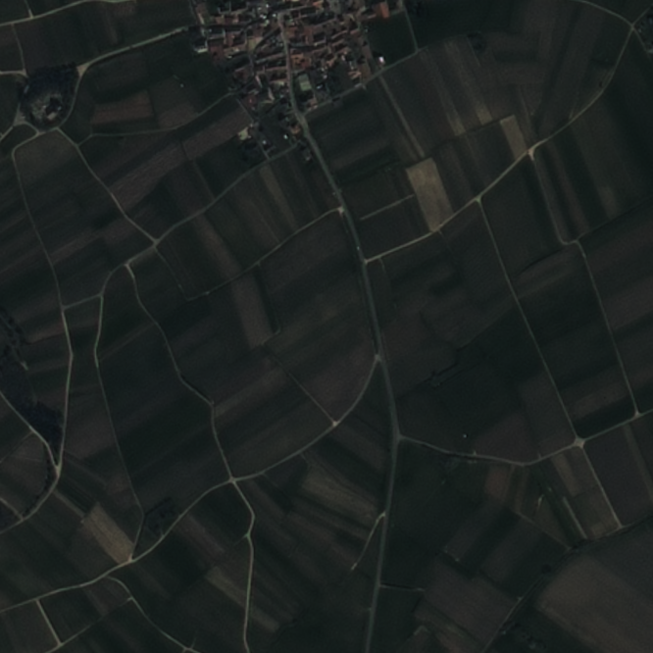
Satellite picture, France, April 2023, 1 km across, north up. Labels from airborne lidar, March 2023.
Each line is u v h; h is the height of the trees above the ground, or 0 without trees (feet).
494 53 0
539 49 0
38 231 0
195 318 0
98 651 0
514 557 0
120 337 0
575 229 0
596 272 0
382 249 0
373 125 0
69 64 0
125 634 0
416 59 0
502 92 0
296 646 0
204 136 0
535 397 0
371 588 0
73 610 0
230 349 0
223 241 0
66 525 0
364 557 0
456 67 0
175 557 0
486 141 0
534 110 0
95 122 0
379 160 0
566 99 0
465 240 0
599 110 0
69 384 0
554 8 0
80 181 0
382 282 0
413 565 0
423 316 0
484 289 0
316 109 0
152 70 0
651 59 0
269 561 0
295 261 0
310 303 0
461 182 0
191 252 0
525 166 0
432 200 0
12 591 0
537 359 0
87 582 0
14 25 0
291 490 0
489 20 0
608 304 0
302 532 0
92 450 0
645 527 0
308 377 0
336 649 0
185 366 0
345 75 0
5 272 0
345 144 0
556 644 0
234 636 0
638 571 0
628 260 0
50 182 0
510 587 0
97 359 0
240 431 0
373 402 0
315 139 0
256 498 0
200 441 0
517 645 0
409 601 0
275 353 0
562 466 0
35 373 0
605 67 0
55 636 0
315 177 0
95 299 0
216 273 0
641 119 0
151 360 0
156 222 0
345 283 0
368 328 0
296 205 0
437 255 0
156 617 0
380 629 0
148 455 0
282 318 0
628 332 0
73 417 0
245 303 0
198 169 0
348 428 0
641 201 0
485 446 0
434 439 0
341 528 0
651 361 0
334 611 0
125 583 0
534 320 0
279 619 0
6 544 0
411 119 0
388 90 0
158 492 0
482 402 0
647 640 0
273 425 0
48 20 0
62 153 0
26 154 0
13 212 0
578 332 0
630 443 0
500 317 0
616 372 0
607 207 0
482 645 0
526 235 0
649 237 0
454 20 0
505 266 0
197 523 0
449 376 0
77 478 0
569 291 0
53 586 0
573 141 0
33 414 29
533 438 0
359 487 0
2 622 0
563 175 0
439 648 0
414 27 0
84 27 0
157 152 0
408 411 0
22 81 0
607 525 0
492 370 0
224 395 0
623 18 0
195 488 0
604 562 0
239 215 0
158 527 31
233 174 0
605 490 0
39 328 0
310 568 0
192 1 0
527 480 0
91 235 0
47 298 0
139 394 0
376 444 0
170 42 0
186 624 0
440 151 0
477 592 0
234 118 0
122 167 0
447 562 0
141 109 0
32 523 0
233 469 0
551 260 0
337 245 0
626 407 0
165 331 0
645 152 0
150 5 0
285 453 0
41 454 0
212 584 0
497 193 0
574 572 0
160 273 0
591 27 0
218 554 0
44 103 0
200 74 0
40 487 0
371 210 0
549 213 0
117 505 0
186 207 0
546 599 0
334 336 0
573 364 0
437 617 0
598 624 0
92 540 0
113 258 0
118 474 0
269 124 0
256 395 0
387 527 0
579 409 0
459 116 0
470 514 0
